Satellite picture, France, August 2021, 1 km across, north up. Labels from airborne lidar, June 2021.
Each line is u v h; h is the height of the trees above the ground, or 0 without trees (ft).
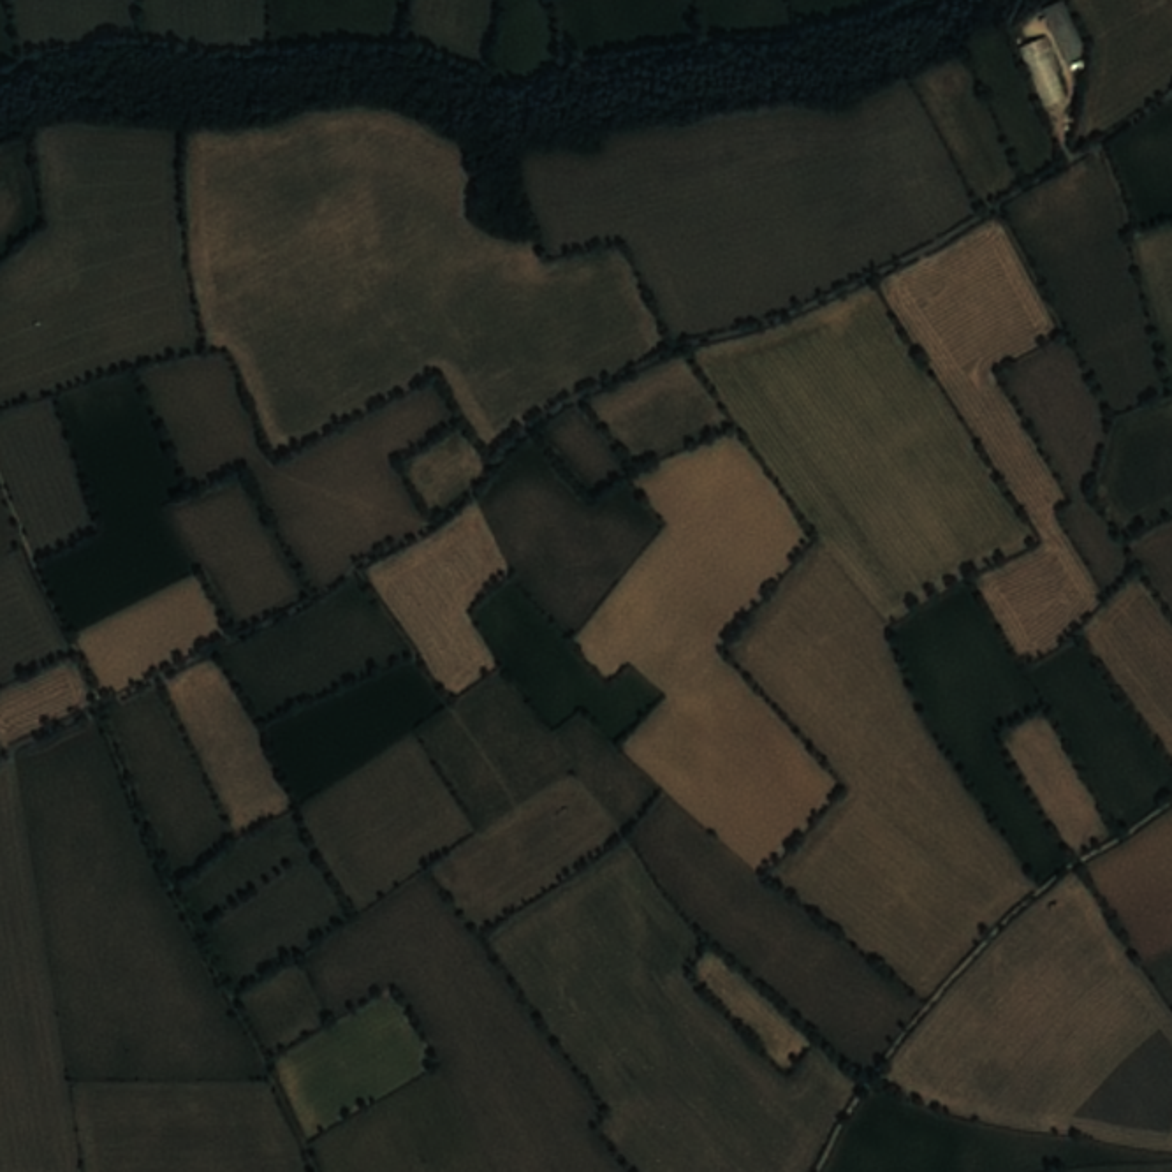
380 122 0
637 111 52
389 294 0
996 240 0
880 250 0
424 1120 0
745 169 0
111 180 0
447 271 0
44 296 0
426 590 0
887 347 0
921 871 0
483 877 0
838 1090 0
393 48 43
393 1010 0
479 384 0
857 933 0
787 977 0
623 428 0
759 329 35
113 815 0
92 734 0
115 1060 0
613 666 0
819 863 0
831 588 0
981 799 31
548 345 0
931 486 0
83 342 0
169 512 0
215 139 0
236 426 0
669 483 0
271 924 0
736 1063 0
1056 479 22
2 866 0
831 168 0
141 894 0
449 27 0
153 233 0
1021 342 0
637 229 0
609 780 0
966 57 38
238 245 0
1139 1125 0
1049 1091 0
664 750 0
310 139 0
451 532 0
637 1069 0
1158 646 0
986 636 0
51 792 0
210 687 0
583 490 38
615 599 0
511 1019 0
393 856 0
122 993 0
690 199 0
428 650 0
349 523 0
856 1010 0
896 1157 0
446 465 0
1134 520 0
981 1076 0
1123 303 0
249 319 0
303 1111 0
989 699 0
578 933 0
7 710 0
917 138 0
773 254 0
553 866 0
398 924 0
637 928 0
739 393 0
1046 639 0
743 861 0
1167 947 0
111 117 45
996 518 0
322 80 45
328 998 0
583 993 0
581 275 0
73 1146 0
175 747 0
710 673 0
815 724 0
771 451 0
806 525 36
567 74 52
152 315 0
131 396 0
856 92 52
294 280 0
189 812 0
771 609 0
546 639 0
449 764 0
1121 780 0
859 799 0
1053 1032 0
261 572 0
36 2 0
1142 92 0
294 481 0
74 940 0
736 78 61
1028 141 0
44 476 0
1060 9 0
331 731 0
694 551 0
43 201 21
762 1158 0
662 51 48
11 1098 0
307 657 0
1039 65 0
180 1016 0
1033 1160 0
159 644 0
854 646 0
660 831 0
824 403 0
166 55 51
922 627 0
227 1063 0
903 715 0
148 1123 0
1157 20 0
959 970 0
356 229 0
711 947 37
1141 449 0
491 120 69
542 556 0
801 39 56
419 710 0
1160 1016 0
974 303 0
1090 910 0
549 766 0
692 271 0
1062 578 0
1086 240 0
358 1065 0
